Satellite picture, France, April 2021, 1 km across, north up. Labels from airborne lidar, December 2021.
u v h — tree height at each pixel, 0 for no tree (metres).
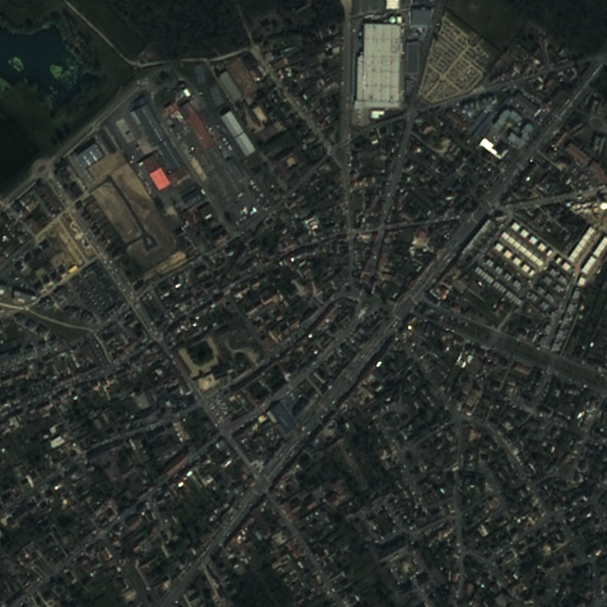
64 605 13
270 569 7
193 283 0
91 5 0
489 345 0
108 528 0
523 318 7
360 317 0
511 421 8
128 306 0
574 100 0
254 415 0
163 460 0
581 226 11
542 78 6
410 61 0
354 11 0
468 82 0
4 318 0
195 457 0
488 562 0
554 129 0
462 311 8
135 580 0
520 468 0
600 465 12
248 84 0
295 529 0
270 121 7
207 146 0
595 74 0
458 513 0
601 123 0
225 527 0
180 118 0
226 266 0
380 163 0
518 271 0
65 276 0
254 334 0
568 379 0
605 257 0
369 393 0
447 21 0
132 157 0
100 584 0
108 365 0
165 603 0
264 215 0
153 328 0
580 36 19
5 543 13
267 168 10
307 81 6
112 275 0
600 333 12
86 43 21
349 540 11
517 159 0
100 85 21
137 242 0
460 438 0
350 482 7
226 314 8
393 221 0
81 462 0
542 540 12
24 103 0
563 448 13
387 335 0
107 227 0
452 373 0
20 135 0
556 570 0
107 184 0
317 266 12
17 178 0
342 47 0
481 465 0
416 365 6
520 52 0
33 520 10
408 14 0
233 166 0
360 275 0
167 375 8
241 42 14
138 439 0
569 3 13
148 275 0
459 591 0
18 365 0
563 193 0
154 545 6
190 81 0
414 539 0
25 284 0
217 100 0
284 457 0
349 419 0
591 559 0
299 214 0
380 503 0
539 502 0
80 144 0
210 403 0
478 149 0
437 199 8
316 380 0
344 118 0
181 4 22
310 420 0
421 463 0
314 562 0
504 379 0
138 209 0
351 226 0
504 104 0
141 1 23
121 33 0
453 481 15
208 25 20
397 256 0
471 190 8
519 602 0
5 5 0
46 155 0
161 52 12
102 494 7
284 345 0
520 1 12
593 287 0
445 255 0
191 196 0
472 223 0
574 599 7
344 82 0
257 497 0
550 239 0
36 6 0
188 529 11
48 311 0
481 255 0
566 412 0
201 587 0
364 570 0
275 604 8
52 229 0
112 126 0
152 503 0
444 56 0
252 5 16
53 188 0
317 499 0
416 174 0
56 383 0
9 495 6
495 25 0
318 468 0
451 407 0
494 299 0
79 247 0
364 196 0
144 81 0
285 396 0
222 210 0
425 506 0
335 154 0
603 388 0
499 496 0
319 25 11
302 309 0
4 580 6
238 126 0
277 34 6
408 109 0
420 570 0
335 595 0
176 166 0
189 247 0
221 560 8
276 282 9
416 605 0
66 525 19
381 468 0
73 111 23
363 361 0
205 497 0
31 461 8
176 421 0
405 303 0
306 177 0
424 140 8
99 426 0
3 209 0
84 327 0
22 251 0
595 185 0
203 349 0
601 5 7
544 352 0
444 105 0
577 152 0
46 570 0
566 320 0
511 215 0
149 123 0
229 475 0
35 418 0
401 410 0
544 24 20
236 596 7
